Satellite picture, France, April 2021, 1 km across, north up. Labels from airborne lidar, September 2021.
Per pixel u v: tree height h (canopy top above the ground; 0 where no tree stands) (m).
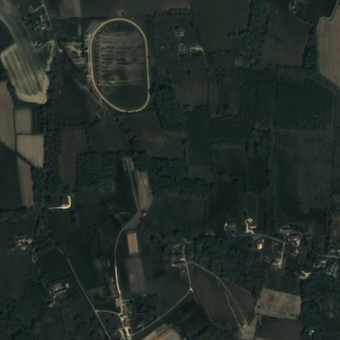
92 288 0
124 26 0
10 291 0
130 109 0
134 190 0
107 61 0
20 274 0
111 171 0
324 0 0
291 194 0
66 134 0
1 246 0
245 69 7
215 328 9
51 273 0
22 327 18
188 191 25
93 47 0
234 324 0
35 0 0
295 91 8
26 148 0
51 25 19
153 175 20
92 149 0
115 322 0
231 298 0
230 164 0
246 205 0
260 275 16
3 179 0
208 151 6
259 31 15
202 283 0
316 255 6
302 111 7
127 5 0
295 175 0
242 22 0
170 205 0
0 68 11
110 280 0
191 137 6
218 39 0
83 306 0
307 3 0
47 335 0
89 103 0
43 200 17
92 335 12
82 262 0
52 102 16
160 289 0
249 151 23
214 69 0
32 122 0
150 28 8
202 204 0
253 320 0
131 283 0
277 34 0
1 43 0
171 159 0
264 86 7
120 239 0
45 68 0
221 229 0
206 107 6
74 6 0
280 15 0
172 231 0
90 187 17
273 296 0
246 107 8
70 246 0
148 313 5
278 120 7
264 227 10
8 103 0
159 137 0
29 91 0
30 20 15
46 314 0
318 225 0
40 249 16
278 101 6
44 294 0
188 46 0
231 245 7
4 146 0
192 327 0
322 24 0
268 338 0
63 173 0
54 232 0
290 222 0
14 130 0
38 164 0
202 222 0
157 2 0
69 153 0
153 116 0
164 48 0
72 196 0
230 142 6
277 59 0
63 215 0
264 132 7
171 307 0
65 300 9
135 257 0
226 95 8
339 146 0
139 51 0
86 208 0
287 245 9
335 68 0
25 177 0
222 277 11
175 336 0
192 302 0
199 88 0
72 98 0
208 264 13
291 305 0
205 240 21
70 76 0
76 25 0
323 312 6
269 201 0
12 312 21
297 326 0
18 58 0
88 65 0
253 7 18
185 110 15
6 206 0
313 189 0
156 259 0
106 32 0
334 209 15
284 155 0
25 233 0
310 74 26
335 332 19
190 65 0
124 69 0
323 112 6
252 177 0
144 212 0
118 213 0
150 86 0
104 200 0
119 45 0
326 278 20
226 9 0
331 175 0
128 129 13
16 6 0
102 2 0
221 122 7
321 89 7
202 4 0
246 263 18
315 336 15
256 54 19
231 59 0
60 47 10
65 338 0
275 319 0
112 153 8
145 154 17
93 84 0
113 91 0
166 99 31
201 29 0
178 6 0
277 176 0
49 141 19
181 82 0
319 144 0
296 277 18
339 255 7
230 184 0
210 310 0
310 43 15
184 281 0
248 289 14
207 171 0
